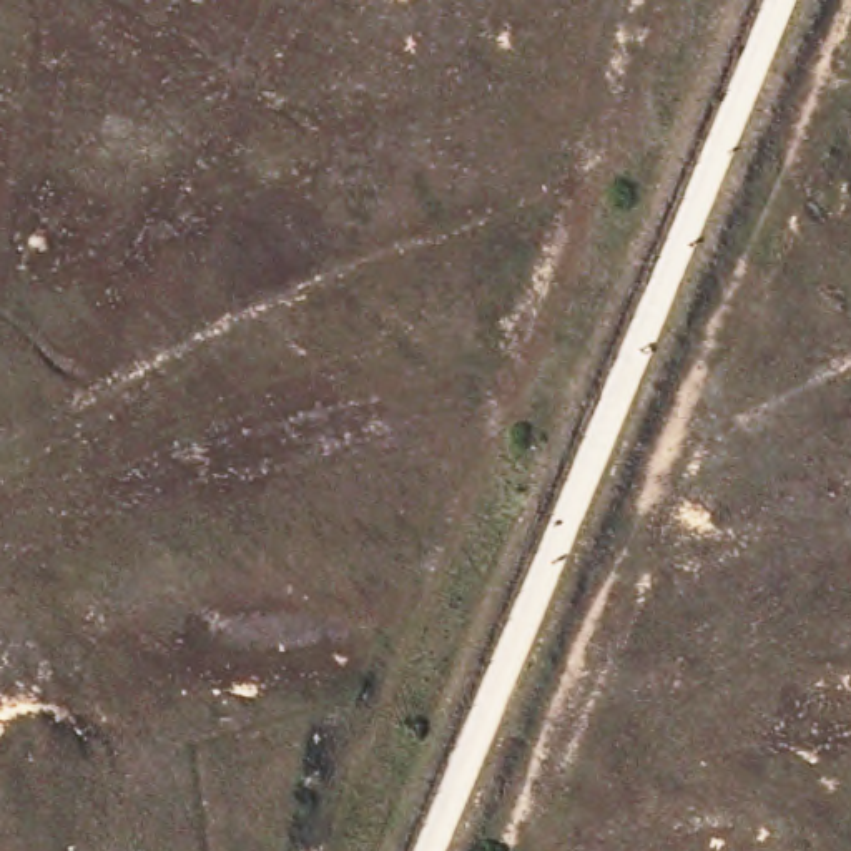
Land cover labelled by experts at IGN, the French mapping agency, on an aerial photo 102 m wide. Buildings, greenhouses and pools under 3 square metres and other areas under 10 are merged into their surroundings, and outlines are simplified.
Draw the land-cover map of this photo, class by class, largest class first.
<instances>
[{"label":"herbaceous vegetation","instance_id":"1","mask_svg":"<svg viewBox=\"0 0 851 851\"><path fill-rule=\"evenodd\" d=\"M765 0H0V701L30 698L57 701L66 708L63 721L40 711L10 718L7 731L0 735V851H419V831L439 794L449 758L475 705L479 685L489 671L512 605L522 592V582L535 562L555 502L585 439V429L598 409L605 379L618 359L622 339L635 319L655 263L665 249L688 180L698 166L711 123L725 103L728 83L735 76V66L745 53V43ZM618 176L635 180L642 196L635 209H618L612 203V183ZM552 229H568V243L552 273L542 312L519 319L515 329H502V319L532 286V269L542 259V246ZM312 273H322V286L309 289L306 303L266 309L259 319L236 322L226 336L199 342L183 359H170L136 382L130 379L126 369H133L140 359L166 346H176L196 329L216 322L223 312L246 309L266 296L289 289L293 283ZM841 0H818L811 20L801 27L798 53L785 66V80L771 103V116L755 140V153L748 156L741 186L738 193H731V206L718 229V246L705 266L695 269L688 263L668 306V316L662 322V332L652 342L648 366L635 386L632 406L622 419L615 445L605 459L585 519L565 555L562 575L552 588V598L545 605V615L529 645V655L522 662V671L515 678V688L505 701V711L499 718V728L492 735V745L482 758L472 788L482 794V811L469 821L472 834L462 851H851V27L831 60V73L841 76V86L821 93L798 163H785V146L804 103L821 40L831 30ZM738 256L748 259V273L738 296L731 299V312L718 329V346L711 352L705 386L691 409L678 455L668 469L662 499L648 512H638V492L645 482L648 459L675 409L678 386L695 362L705 322L718 306L721 286L728 283ZM605 572H618V585L612 588L598 628L588 642L585 671L565 698V711L548 741L542 775L532 788V811L519 828V844L505 848V821L515 808L542 715L562 678L572 638Z\"/></svg>","mask_w":851,"mask_h":851},{"label":"impervious surface","instance_id":"2","mask_svg":"<svg viewBox=\"0 0 851 851\"><path fill-rule=\"evenodd\" d=\"M794 0H765L745 43V53L735 66V76L728 83L725 103L711 123L698 166L688 180L665 249L655 263L635 319L622 339L618 359L605 379L598 409L585 429V439L555 502L535 562L522 582V592L512 605L489 671L479 685L475 705L449 758L439 794L419 831V851H445L452 844V831L472 788L482 758L492 745V735L499 728V718L505 711V701L515 688V678L522 671V662L529 655V645L545 615V605L552 598V588L562 575L565 555L585 519L605 459L615 445L622 419L632 406L635 386L648 366L652 342L662 332V322L668 316V306L688 263L691 243L698 239L708 219L731 150L755 106V96L771 66L775 47L791 17Z\"/></svg>","mask_w":851,"mask_h":851},{"label":"pervious surface","instance_id":"3","mask_svg":"<svg viewBox=\"0 0 851 851\"><path fill-rule=\"evenodd\" d=\"M818 0H794L791 17L775 47L771 66L755 96V106L731 150L708 219L698 239L691 243L688 263L695 269L705 266L718 246V229L731 206V193H738L741 186L748 156L755 153V140L771 116V103L785 80V66L798 53L801 27L811 20ZM851 27V0H841L831 30L821 40L804 103L785 146V163H798L821 93L841 86V76L831 73V60ZM568 243V229H552L542 246V259L532 269V286L502 319V329H515L519 319L542 312L552 273ZM748 273V259L738 256L728 283L721 286L718 306L705 322L695 362L678 386L675 409L648 459L645 482L638 492V512H648L662 499L668 469L678 455L691 409L705 386L711 352L718 346V329L731 312V299L738 296ZM322 286V273H312L293 283L289 289L266 296L246 309L223 312L216 322L196 329L176 346H166L140 359L133 369H126L130 379L136 382L170 359H183L199 342L226 336L236 322L259 319L266 309L306 303L309 289ZM618 585V572H605L572 638L562 678L542 715L515 808L505 821V848L519 844V828L532 811V788L542 775L548 741L565 711V698L585 671L588 642L598 628L612 588ZM40 711L63 721L66 708L57 701L30 698L0 701V735L7 731L10 718ZM482 811V794L472 788L452 831V844L445 851H462L472 834L469 821Z\"/></svg>","mask_w":851,"mask_h":851},{"label":"brushwood","instance_id":"4","mask_svg":"<svg viewBox=\"0 0 851 851\"><path fill-rule=\"evenodd\" d=\"M642 196L635 180L618 176L612 183V203L618 209H635Z\"/></svg>","mask_w":851,"mask_h":851}]
</instances>
